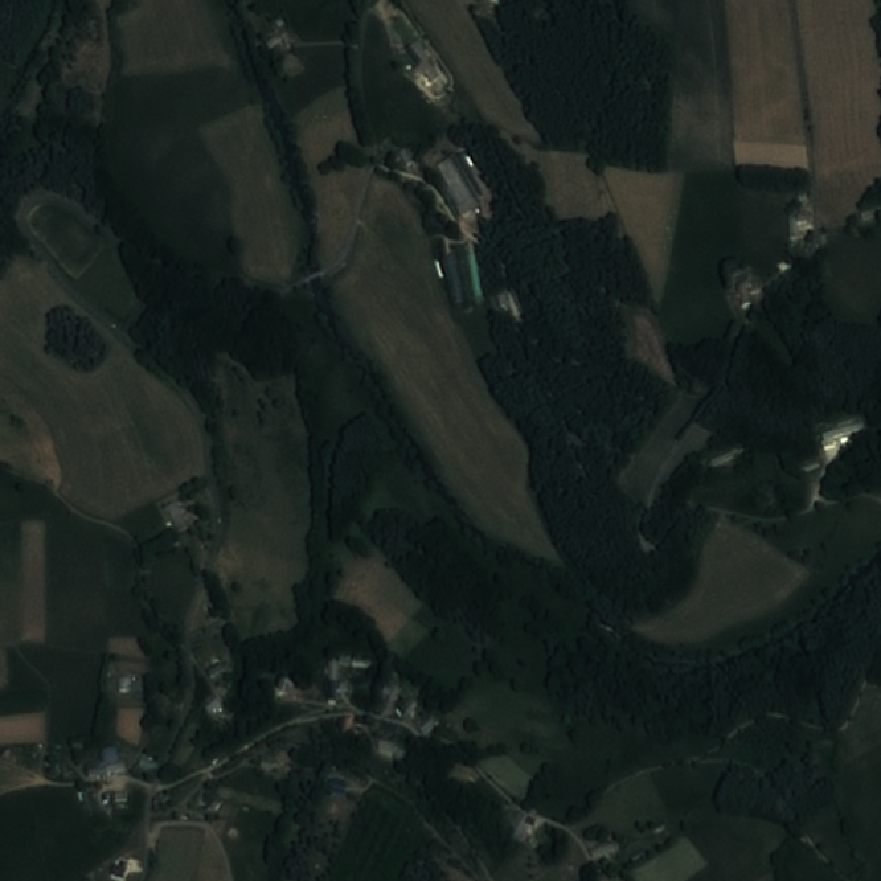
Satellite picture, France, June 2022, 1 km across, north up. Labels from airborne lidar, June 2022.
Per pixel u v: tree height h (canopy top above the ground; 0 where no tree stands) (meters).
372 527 13
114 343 0
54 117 12
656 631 0
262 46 13
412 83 0
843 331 28
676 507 15
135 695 0
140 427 0
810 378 21
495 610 23
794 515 16
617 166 14
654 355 0
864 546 0
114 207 17
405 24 0
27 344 0
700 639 0
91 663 0
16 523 0
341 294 0
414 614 0
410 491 0
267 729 14
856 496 19
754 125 0
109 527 0
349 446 25
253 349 18
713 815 0
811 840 0
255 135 0
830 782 19
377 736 7
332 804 0
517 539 0
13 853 0
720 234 0
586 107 23
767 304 17
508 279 12
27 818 0
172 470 0
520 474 0
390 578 0
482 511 0
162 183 0
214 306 20
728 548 0
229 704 12
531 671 0
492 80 0
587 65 20
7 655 0
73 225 0
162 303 14
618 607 9
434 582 22
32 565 0
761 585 0
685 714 18
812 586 0
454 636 0
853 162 0
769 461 0
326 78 0
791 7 0
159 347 24
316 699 0
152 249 23
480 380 0
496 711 0
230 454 0
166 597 0
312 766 11
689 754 0
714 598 0
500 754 12
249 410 0
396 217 0
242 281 13
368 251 0
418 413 0
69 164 23
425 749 18
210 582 17
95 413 0
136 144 0
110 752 0
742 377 23
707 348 22
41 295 0
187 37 0
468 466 0
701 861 0
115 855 0
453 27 0
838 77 0
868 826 0
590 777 0
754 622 0
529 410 27
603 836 21
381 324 0
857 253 0
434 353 0
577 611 0
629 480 0
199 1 0
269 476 0
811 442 13
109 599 0
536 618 9
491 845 8
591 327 18
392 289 0
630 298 16
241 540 0
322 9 0
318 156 0
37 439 0
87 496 0
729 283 23
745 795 25
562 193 0
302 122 0
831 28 0
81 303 0
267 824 0
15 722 0
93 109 0
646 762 0
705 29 0
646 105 21
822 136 0
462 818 15
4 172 16
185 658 16
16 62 26
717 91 0
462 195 0
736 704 9
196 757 0
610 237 19
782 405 24
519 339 21
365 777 8
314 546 16
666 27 0
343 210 0
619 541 22
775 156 0
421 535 22
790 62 0
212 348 17
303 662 24
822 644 29
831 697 25
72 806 0
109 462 0
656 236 0
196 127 0
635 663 19
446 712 18
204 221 0
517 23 22
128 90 0
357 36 24
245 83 0
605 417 20
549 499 17
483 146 25
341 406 0
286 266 0
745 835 0
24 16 25
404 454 11
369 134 22
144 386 0
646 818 0
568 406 23
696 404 0
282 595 0
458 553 25
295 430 0
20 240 17
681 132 0
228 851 0
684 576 17
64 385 0
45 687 0
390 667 25
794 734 7
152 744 0
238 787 0
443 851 6
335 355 0
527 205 24
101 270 0
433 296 0
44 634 0
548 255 29
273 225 0
